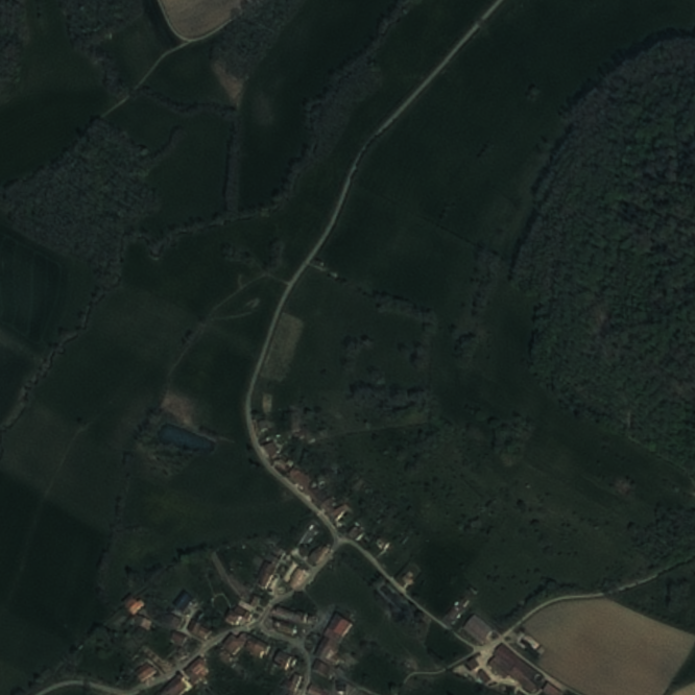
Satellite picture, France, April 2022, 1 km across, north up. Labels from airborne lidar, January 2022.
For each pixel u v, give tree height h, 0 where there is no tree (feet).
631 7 0
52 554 0
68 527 0
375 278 0
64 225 82
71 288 0
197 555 58
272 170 0
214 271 0
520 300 0
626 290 45
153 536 0
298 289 0
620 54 0
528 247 67
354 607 0
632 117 78
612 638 0
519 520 0
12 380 0
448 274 0
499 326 0
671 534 59
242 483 0
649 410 78
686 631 0
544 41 0
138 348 0
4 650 0
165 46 0
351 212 0
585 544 0
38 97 0
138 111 0
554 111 0
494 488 0
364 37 0
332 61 0
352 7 0
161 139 0
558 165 42
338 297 0
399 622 52
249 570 0
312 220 0
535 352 63
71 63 0
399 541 19
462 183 0
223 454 0
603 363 77
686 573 0
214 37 0
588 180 69
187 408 0
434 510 0
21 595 0
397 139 0
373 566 0
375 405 75
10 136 0
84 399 0
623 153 91
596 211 80
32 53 0
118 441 0
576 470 0
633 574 0
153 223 0
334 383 0
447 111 0
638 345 90
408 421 57
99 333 0
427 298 0
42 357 0
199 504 0
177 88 0
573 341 79
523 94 0
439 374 0
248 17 73
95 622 0
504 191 0
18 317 0
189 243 0
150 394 0
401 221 0
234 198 68
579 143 76
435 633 0
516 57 0
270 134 0
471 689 0
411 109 0
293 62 0
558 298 68
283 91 0
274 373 0
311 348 0
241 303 0
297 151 0
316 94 0
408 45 0
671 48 88
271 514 0
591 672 0
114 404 0
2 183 0
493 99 0
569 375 67
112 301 0
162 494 0
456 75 0
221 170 0
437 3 0
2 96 20
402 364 0
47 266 0
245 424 0
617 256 56
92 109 0
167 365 0
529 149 0
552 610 0
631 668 0
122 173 86
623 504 0
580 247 68
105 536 0
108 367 0
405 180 0
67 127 0
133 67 0
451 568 0
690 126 64
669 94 52
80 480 0
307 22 0
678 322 79
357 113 0
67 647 0
